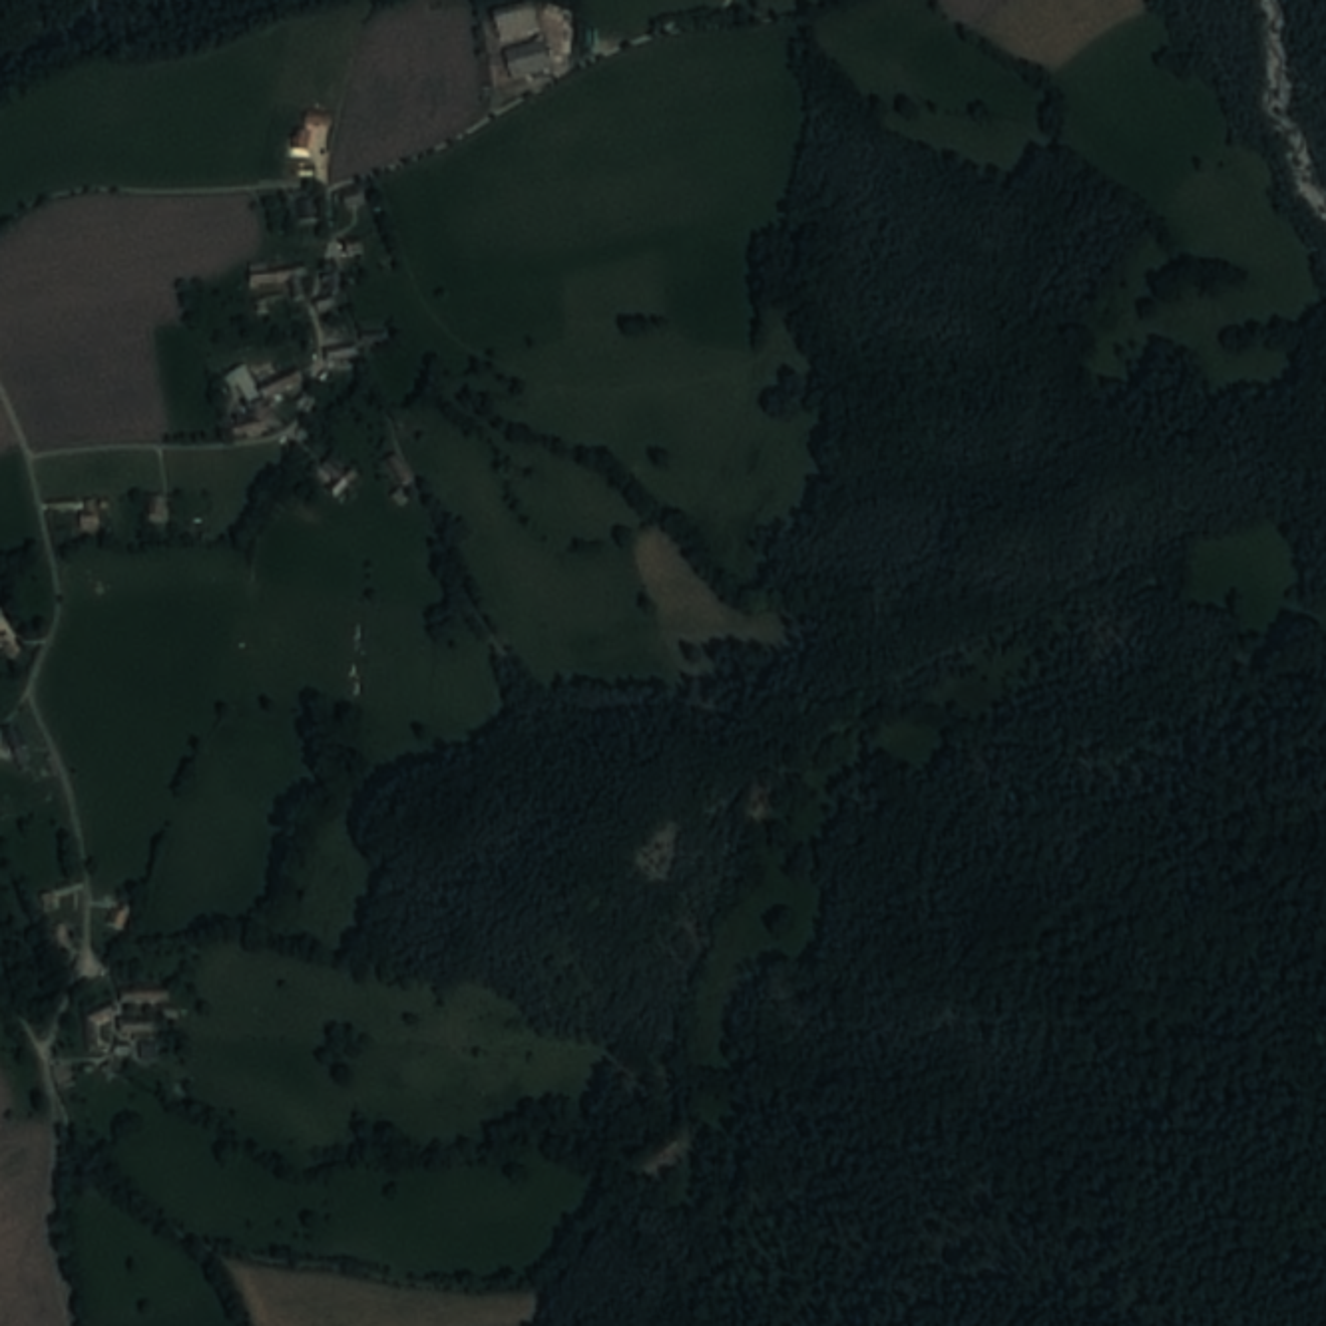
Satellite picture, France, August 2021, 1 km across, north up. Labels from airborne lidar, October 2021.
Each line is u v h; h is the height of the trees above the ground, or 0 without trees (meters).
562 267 0
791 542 16
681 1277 23
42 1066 0
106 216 0
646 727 24
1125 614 21
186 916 0
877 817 18
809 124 12
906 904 24
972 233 14
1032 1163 27
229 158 0
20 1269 0
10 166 0
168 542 6
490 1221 0
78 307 0
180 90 0
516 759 18
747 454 0
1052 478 19
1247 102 12
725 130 0
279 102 0
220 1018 0
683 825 10
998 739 14
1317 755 20
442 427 0
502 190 0
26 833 11
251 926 18
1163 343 21
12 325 0
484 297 0
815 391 16
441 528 10
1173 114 0
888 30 0
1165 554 16
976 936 25
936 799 21
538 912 16
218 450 0
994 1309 26
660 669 0
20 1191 0
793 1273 23
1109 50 0
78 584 0
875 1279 25
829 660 16
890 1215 27
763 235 15
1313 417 19
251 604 0
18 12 12
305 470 6
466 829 20
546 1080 0
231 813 0
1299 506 20
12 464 0
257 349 0
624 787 23
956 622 14
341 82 0
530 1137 23
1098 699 23
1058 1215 30
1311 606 16
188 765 13
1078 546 17
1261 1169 20
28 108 0
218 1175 0
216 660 0
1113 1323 22
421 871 14
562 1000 9
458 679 0
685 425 0
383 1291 0
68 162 0
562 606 0
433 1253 0
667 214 0
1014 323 21
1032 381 15
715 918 16
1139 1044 30
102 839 0
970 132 0
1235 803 27
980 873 30
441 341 0
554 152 0
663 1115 14
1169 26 8
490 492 0
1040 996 23
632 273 0
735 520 0
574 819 23
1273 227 0
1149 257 0
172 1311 0
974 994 15
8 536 0
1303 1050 14
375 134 0
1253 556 0
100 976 0
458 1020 0
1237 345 12
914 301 13
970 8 0
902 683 7
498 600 0
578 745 19
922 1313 30
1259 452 24
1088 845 25
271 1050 0
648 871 7
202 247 0
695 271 0
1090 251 25
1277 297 0
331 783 17
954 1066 22
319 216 8
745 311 0
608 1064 17
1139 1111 13
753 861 10
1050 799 25
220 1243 9
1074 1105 25
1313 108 8
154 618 0
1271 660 26
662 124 0
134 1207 16
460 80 0
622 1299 20
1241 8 11
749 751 18
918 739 0
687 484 0
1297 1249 14
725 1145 19
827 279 22
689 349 0
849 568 15
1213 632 19
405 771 17
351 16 0
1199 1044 29
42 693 0
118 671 0
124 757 0
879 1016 21
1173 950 27
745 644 17
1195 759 27
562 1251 16
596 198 0
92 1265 0
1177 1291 24
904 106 15
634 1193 17
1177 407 24
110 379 0
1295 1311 22
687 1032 21
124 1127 19
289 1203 0
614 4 0
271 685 0
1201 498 13
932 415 14
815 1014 16
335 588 0
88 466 0
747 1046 26
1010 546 13
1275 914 17
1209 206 0
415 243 0
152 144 0
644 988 14
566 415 0
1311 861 15
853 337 14
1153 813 26
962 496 19
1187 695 20
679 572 0
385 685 0
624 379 0
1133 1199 23
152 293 0
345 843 0
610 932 14
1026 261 16
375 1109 0
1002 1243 9
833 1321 27
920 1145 26
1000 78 0
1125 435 27
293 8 15
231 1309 16
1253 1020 24
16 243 0
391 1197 9
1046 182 23
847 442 22
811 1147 21
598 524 0
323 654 0
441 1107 0
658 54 0
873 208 13
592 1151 25
